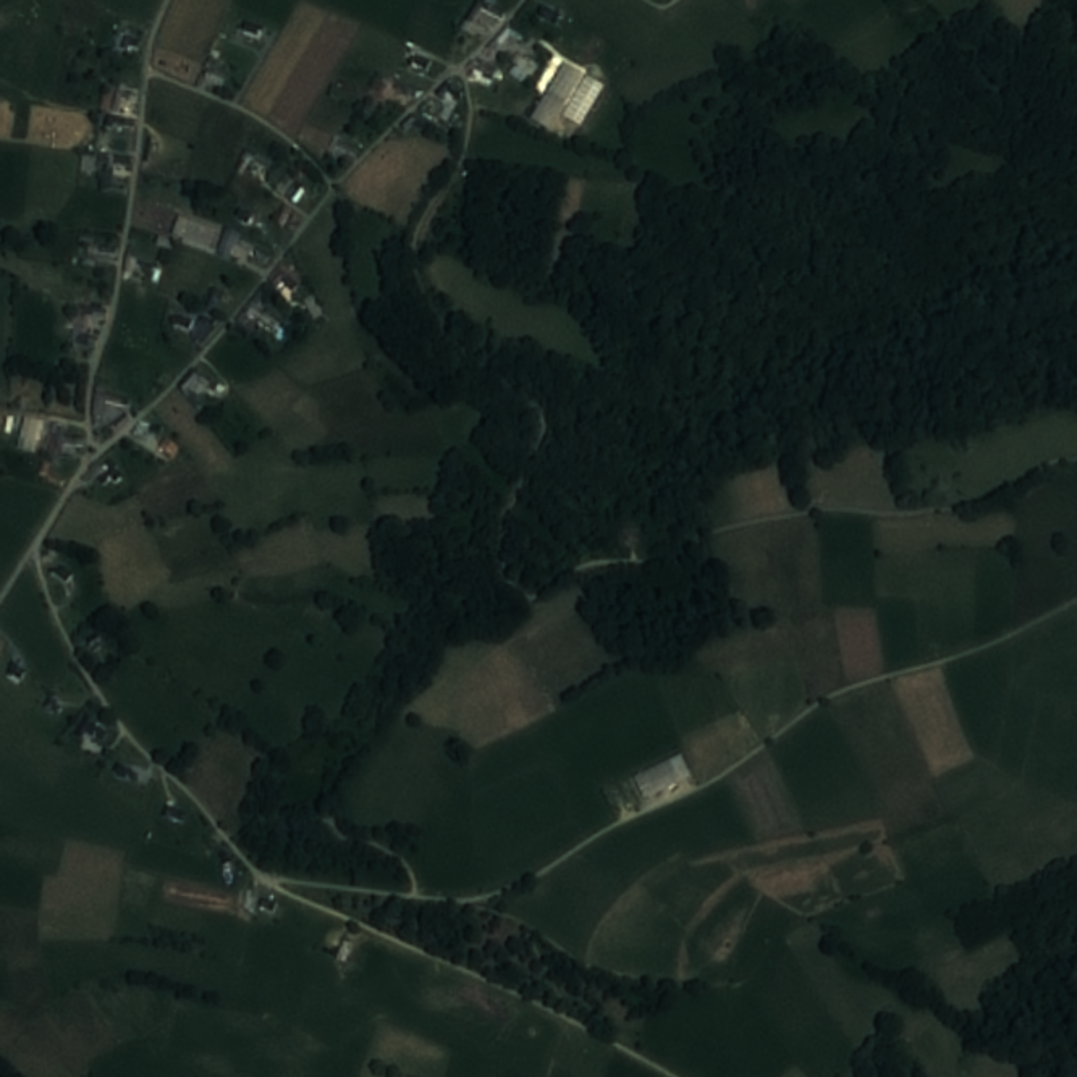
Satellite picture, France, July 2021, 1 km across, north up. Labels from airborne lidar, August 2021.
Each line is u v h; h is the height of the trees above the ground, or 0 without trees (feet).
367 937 0
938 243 52
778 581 0
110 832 0
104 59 43
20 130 0
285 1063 0
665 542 20
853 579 0
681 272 66
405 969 0
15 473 0
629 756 0
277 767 65
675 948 0
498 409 68
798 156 59
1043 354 71
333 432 0
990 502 52
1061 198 39
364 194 0
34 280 0
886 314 42
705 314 82
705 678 0
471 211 72
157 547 0
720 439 34
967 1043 44
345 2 0
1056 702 0
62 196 0
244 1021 0
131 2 0
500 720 0
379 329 93
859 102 35
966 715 0
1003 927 35
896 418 81
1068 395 75
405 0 0
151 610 50
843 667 0
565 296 70
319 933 0
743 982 0
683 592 29
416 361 97
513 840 0
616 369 85
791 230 93
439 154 0
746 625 56
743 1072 0
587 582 70
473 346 83
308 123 0
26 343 0
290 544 0
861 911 0
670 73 0
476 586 55
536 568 65
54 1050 0
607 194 0
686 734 0
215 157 0
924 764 0
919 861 0
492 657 0
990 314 65
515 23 25
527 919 0
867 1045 43
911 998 46
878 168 56
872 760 0
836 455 55
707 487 74
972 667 0
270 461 0
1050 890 71
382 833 43
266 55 0
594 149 36
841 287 76
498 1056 0
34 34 0
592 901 0
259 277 0
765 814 0
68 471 0
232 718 57
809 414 23
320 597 44
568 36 0
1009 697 0
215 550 0
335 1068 0
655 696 0
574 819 0
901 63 43
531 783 0
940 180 64
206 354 0
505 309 0
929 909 0
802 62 61
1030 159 60
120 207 0
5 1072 69
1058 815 0
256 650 0
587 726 0
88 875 0
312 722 56
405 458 0
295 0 0
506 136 0
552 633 0
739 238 88
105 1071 0
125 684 0
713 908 0
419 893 0
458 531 28
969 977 0
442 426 0
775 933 0
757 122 82
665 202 66
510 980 68
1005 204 72
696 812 0
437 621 61
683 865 0
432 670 52
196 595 0
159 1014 0
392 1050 0
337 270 0
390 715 31
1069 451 0
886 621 0
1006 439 0
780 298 79
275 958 0
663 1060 0
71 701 0
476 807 0
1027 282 88
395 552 47
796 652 0
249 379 0
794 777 0
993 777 0
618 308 104
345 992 0
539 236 70
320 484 0
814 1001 0
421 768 0
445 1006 0
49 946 0
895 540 0
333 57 0
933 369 88
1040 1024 88
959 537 0
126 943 38
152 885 0
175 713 0
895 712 0
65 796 0
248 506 0
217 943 0
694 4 0
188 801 0
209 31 0
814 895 0
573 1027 0
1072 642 0
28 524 0
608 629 61
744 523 0
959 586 0
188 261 0
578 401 74
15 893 0
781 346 92
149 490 0
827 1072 0
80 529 0
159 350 0
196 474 0
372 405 0
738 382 70
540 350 60
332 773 38
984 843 0
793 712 0
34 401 0
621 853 0
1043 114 70
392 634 62
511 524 64
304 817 73
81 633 27
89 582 0
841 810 0
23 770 0
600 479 77
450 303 57
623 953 0
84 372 23
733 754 0
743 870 0
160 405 0
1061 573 0
